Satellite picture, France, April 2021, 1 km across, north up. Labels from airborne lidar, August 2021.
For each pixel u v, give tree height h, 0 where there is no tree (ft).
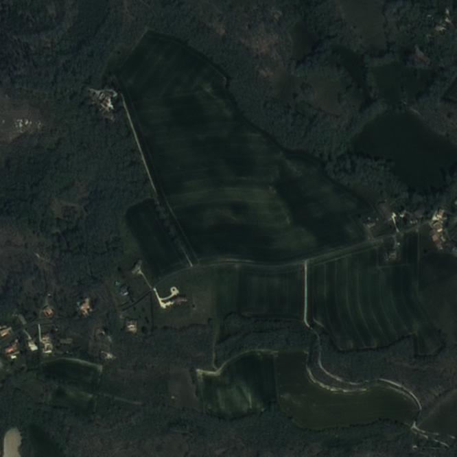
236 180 0
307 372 0
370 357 57
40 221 52
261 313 0
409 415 0
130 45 43
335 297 0
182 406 0
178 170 0
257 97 70
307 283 0
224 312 0
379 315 0
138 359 31
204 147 0
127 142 70
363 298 0
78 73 62
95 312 39
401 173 0
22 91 29
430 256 0
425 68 57
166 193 0
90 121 55
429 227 0
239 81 62
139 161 28
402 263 0
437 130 54
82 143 38
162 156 0
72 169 62
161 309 0
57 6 26
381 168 56
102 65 63
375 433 27
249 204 0
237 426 70
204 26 30
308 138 67
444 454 77
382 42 0
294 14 58
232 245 0
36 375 39
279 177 0
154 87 0
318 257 0
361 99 0
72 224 56
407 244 0
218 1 63
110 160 72
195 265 0
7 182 79
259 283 0
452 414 0
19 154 65
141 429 53
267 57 39
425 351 0
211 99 0
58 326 34
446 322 0
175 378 0
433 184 0
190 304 0
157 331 52
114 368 43
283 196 0
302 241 0
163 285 0
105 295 60
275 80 0
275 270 0
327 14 52
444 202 44
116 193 84
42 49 26
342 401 0
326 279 0
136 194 51
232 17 53
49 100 35
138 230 0
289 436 31
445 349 49
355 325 0
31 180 80
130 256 0
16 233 29
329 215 0
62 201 47
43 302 39
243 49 52
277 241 0
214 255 0
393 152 0
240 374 0
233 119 0
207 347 46
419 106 45
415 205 28
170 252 0
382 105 58
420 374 52
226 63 60
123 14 23
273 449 71
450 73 66
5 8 43
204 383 0
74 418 54
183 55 0
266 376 0
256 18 28
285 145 58
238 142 0
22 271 24
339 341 0
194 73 0
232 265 0
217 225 0
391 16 40
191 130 0
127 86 0
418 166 0
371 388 0
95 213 43
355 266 0
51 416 60
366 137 0
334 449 54
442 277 0
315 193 0
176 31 66
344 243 0
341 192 0
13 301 47
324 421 0
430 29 48
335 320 0
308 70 63
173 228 44
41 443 0
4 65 29
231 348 48
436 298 0
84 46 51
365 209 0
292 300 0
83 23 22
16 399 63
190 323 0
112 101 26
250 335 57
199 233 0
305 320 0
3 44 33
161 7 56
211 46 64
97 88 38
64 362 0
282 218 0
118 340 43
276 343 83
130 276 0
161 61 0
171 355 41
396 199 26
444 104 51
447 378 27
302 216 0
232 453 24
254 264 0
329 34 52
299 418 0
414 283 0
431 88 61
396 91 0
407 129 0
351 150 43
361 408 0
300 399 0
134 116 0
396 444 49
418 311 0
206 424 56
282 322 34
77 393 0
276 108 61
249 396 0
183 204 0
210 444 29
